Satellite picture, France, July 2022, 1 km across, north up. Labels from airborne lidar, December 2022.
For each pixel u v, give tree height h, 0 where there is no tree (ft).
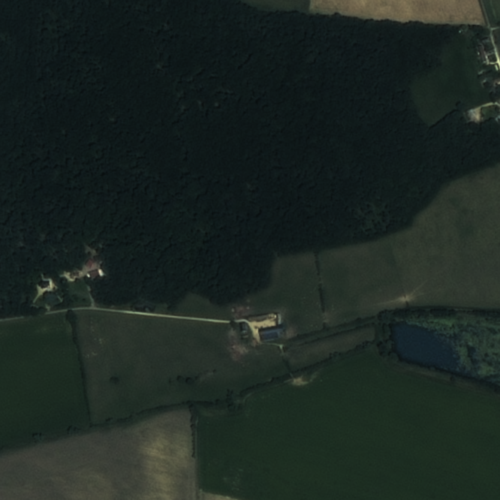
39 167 41
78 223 78
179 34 60
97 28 54
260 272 63
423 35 47
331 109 46
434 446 0
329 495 0
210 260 48
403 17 0
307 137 48
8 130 66
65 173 68
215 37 49
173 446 0
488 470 0
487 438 0
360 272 0
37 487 0
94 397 0
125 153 61
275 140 61
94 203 62
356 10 0
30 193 72
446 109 0
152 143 66
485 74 30
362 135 79
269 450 0
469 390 0
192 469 0
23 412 0
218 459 0
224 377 0
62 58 76
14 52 61
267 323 0
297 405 0
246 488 0
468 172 36
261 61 59
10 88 60
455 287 0
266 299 0
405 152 72
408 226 24
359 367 0
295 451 0
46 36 63
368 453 0
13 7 66
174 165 72
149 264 62
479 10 0
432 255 0
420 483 0
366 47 64
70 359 0
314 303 0
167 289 52
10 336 0
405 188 73
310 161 62
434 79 0
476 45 33
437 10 0
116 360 0
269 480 0
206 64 70
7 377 0
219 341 0
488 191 0
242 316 0
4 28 60
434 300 0
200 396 0
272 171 64
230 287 55
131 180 60
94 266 0
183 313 0
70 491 0
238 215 72
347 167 74
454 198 0
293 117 64
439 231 0
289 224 71
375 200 73
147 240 56
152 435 0
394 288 0
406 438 0
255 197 80
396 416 0
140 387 0
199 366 0
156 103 65
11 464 0
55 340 0
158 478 0
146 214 72
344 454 0
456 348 0
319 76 61
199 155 74
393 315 43
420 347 0
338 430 0
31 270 71
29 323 0
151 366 0
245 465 0
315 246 59
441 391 0
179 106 58
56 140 70
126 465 0
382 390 0
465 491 0
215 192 68
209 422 0
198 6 49
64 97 46
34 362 0
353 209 59
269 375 0
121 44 64
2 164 79
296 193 74
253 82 58
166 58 66
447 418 0
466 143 69
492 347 0
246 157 76
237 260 67
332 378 0
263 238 74
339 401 0
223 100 62
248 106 61
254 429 0
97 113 59
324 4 0
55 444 0
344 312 0
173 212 68
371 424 0
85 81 42
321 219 69
